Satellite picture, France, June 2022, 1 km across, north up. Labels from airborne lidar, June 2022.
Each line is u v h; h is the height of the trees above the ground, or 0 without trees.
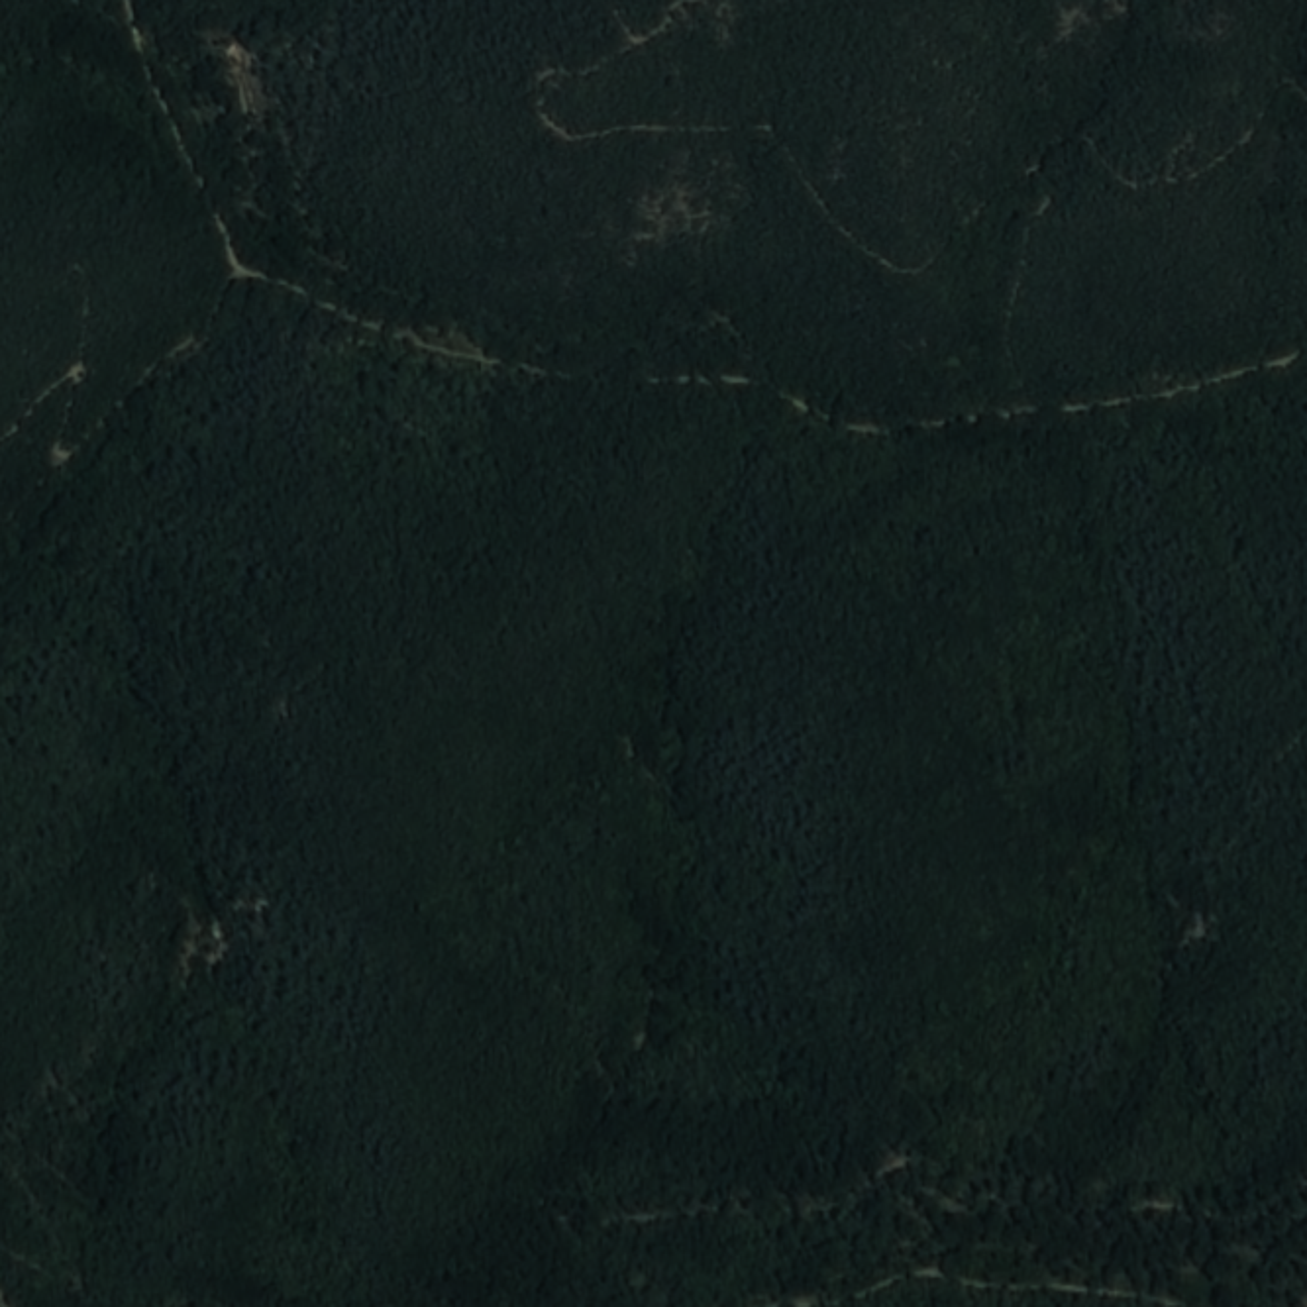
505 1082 7
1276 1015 8
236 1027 11
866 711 10
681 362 10
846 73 8
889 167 8
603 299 12
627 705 14
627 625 11
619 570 9
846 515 14
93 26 13
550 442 9
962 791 10
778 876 10
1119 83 9
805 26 10
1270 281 14
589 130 8
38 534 20
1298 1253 21
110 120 18
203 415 11
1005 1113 12
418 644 13
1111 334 7
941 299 9
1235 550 13
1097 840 18
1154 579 14
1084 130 9
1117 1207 19
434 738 9
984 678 10
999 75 8
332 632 9
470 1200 15
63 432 6
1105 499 7
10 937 11
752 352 10
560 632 9
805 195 10
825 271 11
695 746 14
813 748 8
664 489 10
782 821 11
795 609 13
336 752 9
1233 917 7
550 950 9
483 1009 8
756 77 7
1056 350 8
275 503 14
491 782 7
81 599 14
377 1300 10
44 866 8
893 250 8
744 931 9
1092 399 9
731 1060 9
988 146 13
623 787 9
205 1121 13
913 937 8
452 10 10
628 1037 17
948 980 9
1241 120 9
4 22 12
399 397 7
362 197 9
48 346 11
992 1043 15
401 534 12
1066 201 7
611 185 10
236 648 11
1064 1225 15
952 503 11
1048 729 10
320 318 18
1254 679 10
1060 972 12
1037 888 9
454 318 11
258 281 11
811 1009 8
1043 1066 11
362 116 11
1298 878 8
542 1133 11
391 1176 12
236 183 12
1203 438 15
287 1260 15
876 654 8
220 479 6
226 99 12
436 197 7
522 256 11
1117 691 13
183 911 14
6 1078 9
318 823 11
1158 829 7
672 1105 12
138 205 9
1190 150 6
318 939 18
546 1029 10
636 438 10
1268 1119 10
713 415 8
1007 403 11
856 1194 9
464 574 13
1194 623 13
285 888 6
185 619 9
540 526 12
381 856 9
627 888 9
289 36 10
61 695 10
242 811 10
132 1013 9
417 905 12
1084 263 8
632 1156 9
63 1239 6
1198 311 9
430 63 5
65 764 9
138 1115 10
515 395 13
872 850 8
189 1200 6
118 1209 9
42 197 8
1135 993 9
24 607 7
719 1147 16
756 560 13
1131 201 7
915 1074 9
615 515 10
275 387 14
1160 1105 9
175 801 10
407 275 9
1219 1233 22
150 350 7
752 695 9
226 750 8
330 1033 9
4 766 10
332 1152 7
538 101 6
